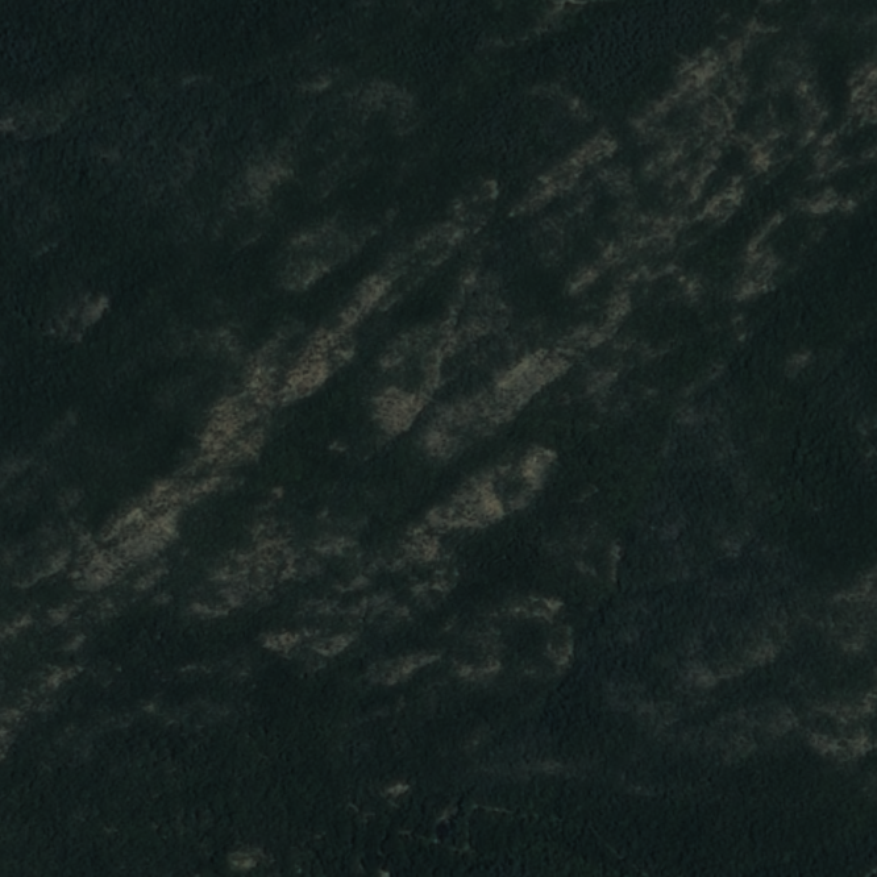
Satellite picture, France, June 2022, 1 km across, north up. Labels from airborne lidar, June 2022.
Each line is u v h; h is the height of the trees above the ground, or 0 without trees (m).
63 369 8
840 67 8
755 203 10
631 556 13
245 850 6
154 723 6
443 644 6
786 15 7
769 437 5
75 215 6
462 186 6
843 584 6
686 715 6
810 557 6
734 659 5
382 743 9
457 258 6
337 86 7
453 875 17
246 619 11
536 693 9
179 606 6
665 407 10
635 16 14
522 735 6
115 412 6
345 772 8
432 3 6
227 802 13
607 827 7
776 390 8
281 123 7
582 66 15
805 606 6
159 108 9
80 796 11
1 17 9
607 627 8
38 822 8
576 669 6
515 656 9
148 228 8
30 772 13
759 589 7
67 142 12
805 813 10
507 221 6
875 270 10
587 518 7
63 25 7
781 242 7
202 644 12
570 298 5
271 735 16
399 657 7
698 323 8
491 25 9
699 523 9
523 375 0
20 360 6
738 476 6
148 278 7
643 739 7
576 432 13
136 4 9
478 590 14
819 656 7
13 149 6
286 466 10
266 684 12
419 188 6
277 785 16
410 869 13
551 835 15
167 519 0
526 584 10
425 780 8
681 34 13
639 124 0
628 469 13
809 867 11
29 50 16
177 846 14
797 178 5
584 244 6
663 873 10
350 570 6
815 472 9
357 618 8
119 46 7
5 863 10
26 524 7
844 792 10
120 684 10
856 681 7
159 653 15
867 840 9
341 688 11
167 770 12
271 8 11
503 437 8
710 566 7
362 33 6
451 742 9
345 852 8
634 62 13
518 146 17
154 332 6
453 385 6
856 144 8
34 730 7
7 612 7
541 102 9
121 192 7
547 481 6
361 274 6
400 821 7
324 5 8
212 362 6
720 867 8
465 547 12
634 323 7
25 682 6
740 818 9
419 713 7
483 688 7
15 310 10
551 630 6
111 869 12
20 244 6
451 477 8
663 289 6
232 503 8
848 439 7
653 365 7
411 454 7
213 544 6
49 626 9
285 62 8
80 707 9
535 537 11
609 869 12
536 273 5
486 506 0
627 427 8
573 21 9
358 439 6
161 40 7
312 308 10
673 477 8
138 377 6
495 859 10
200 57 7
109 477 7
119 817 11
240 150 5
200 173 6
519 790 7
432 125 10
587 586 13
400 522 7
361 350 6
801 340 7
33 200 6
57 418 6
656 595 9
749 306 7
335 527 6
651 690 6
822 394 9
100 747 11
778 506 14
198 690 8
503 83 8
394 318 5
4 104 7
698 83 0
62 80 6
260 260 5
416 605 6
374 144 8
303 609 7
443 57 11
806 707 6
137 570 6
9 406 7
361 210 6
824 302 8
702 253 6
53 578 8
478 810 6
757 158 0
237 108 7
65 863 13
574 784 11
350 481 7
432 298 7
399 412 0
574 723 10
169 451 6
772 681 7
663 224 0
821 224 7
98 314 0
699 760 7
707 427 7
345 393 10
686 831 15
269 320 6
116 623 10
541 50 6
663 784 7
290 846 9
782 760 8
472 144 14
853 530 7
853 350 7
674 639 7
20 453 6
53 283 10
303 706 14
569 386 10
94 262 8
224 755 13
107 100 9
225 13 6
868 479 7
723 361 6
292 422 8
